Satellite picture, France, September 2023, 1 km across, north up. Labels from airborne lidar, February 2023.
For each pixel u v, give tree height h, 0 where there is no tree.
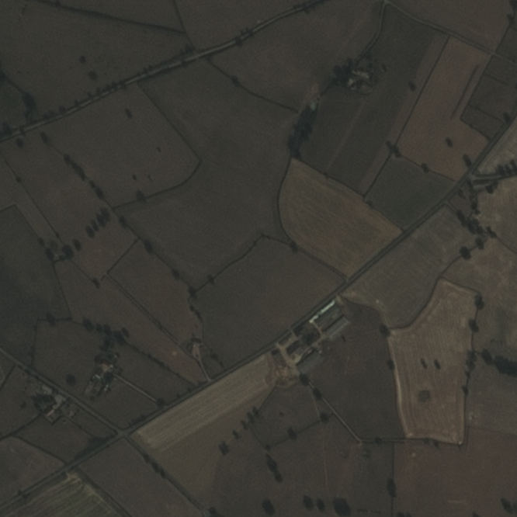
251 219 0
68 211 0
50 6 0
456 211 0
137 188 0
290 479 0
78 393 0
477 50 0
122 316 0
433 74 0
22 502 0
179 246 0
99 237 0
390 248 0
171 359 0
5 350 0
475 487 0
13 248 0
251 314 0
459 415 0
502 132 0
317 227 0
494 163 0
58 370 0
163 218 0
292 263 0
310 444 0
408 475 0
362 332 0
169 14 0
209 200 0
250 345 0
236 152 0
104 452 0
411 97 0
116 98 0
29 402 0
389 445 0
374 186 0
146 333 0
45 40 0
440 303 0
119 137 0
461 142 0
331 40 0
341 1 0
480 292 0
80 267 0
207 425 0
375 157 0
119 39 0
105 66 0
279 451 0
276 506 0
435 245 0
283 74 0
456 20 0
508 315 0
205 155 0
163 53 0
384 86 0
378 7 0
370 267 0
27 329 0
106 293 0
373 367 0
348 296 0
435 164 0
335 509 19
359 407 0
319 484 0
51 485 0
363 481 0
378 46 0
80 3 0
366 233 0
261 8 0
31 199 0
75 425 0
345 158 0
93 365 0
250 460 0
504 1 0
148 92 0
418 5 0
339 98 0
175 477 0
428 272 0
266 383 0
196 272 0
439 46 0
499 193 0
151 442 0
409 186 0
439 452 0
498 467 0
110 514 0
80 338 0
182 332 0
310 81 0
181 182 0
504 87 0
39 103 0
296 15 0
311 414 0
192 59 0
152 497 0
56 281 0
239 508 0
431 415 0
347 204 0
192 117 0
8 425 0
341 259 0
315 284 0
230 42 0
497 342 0
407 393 0
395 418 0
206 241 0
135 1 0
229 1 0
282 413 0
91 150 0
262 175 0
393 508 0
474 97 0
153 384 0
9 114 0
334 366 0
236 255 0
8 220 0
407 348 0
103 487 0
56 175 0
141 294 0
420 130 0
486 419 0
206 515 0
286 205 0
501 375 0
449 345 0
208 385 0
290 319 0
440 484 0
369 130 0
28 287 0
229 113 0
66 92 0
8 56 0
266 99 0
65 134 0
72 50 0
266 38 0
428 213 0
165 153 0
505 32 0
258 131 0
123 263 0
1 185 0
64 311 0
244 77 0
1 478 0
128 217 0
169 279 0
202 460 0
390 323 0
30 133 0
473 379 0
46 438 0
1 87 0
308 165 0
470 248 0
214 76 0
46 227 0
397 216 0
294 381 0
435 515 0
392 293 0
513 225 0
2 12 0
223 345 0
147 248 16
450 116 0
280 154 0
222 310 0
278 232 0
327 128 0
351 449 0
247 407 0
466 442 0
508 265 0
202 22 0
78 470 0
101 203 0
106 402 0
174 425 0
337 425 0
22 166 0
